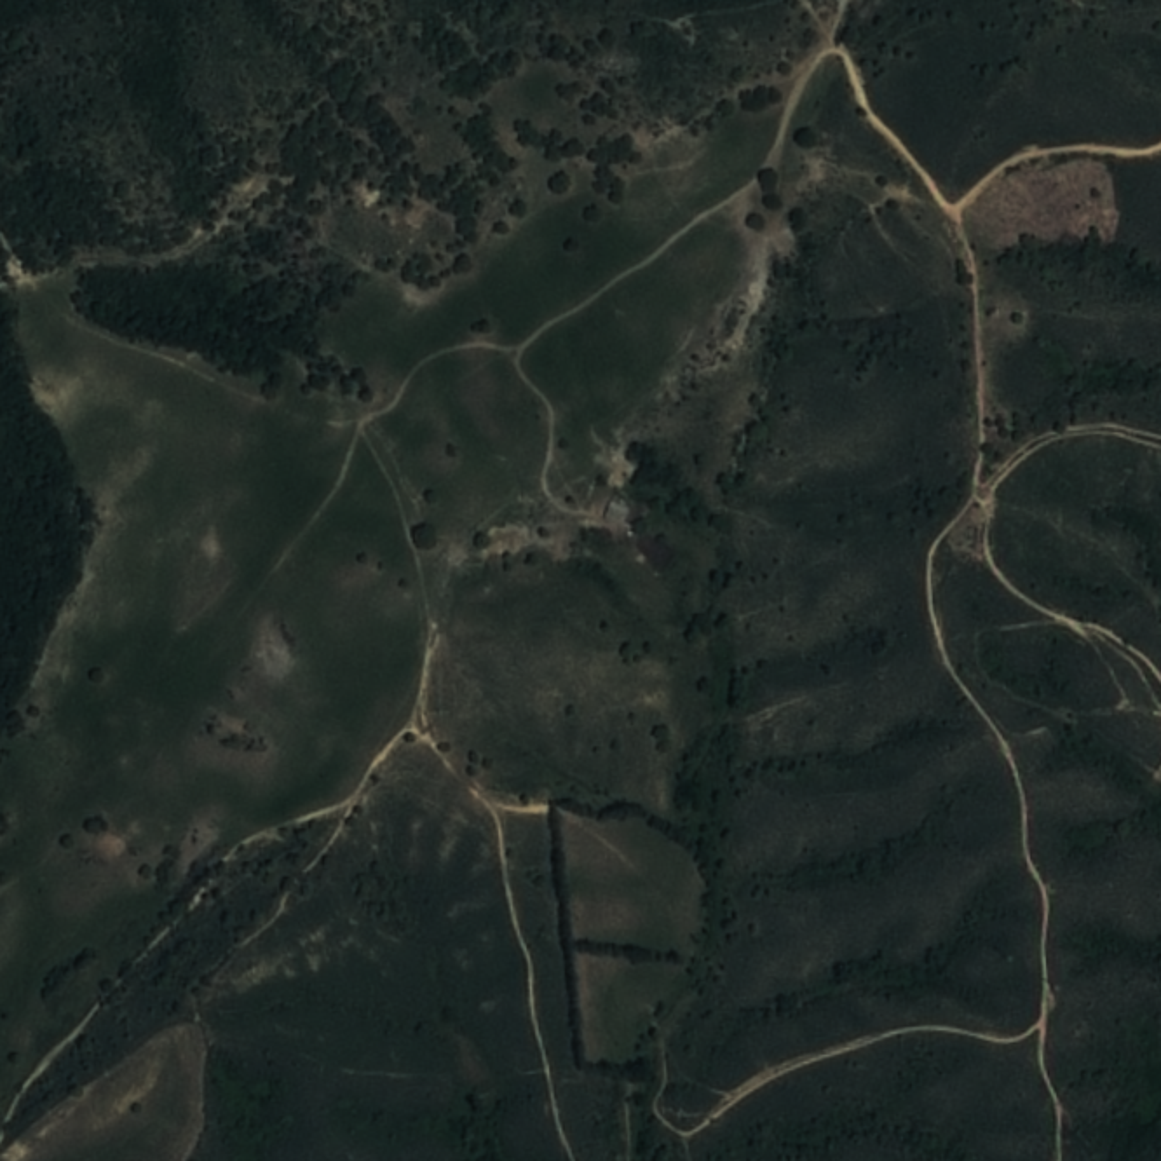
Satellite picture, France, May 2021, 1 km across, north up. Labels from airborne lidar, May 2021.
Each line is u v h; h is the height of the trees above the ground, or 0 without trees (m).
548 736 0
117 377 0
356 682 0
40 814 0
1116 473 0
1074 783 0
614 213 0
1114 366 6
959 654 0
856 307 0
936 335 0
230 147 8
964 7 0
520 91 0
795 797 0
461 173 9
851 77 0
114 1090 0
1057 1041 0
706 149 0
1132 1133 8
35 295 0
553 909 0
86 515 7
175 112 8
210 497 0
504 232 11
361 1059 0
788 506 0
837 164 0
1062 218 0
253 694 0
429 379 0
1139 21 0
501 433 0
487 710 0
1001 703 0
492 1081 0
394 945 0
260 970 0
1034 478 0
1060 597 0
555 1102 0
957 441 0
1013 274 0
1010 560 0
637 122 0
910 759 0
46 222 6
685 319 0
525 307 0
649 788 0
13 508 11
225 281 11
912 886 0
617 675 0
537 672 0
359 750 0
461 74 10
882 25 11
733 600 0
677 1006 0
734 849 0
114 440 0
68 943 0
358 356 0
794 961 0
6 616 14
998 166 0
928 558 0
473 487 0
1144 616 0
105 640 0
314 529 0
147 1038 0
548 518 0
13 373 8
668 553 0
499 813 0
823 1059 0
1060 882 0
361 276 6
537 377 0
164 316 12
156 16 10
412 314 0
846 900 0
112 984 10
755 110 10
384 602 0
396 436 0
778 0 0
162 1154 0
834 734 0
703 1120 0
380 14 9
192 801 0
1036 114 0
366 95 8
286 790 0
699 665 0
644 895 0
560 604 0
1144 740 0
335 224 0
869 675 0
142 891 0
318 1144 0
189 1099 0
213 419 0
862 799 0
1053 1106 0
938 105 0
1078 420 7
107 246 8
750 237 0
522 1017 0
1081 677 0
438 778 0
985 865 0
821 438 0
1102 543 0
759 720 0
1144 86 0
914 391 0
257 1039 0
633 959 20
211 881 9
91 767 0
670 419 0
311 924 0
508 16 10
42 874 0
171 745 0
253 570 0
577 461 0
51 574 10
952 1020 0
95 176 8
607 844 0
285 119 11
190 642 0
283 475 0
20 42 7
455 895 0
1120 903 0
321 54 7
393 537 0
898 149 0
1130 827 10
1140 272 6
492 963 0
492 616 0
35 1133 0
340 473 0
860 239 0
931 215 0
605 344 0
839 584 0
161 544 0
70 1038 0
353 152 13
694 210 0
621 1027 0
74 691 0
